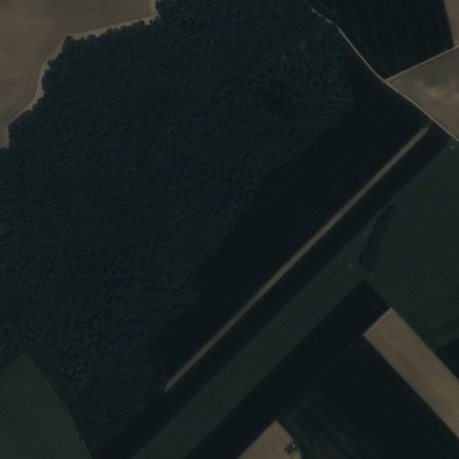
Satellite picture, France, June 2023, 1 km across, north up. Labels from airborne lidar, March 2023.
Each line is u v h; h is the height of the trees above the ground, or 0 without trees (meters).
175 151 10
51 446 0
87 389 21
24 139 28
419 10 0
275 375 0
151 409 0
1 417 0
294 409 0
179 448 0
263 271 0
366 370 0
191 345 0
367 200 0
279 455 0
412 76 0
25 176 25
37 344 15
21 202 22
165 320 12
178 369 0
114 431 15
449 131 0
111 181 27
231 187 23
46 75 12
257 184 17
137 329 16
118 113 22
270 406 0
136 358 22
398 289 0
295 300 0
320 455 0
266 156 22
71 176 25
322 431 0
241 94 27
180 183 26
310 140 17
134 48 20
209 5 25
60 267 21
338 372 0
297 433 0
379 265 0
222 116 26
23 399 0
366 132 0
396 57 0
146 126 29
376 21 0
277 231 0
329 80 23
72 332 21
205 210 26
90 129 22
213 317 0
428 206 0
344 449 0
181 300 9
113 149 25
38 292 23
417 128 0
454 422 0
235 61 20
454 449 0
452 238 0
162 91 27
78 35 0
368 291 0
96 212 23
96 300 25
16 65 0
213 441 0
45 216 24
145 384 22
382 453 0
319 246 0
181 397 0
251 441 0
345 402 0
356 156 0
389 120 0
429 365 0
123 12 0
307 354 0
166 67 22
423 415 0
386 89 0
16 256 14
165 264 27
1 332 25
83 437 15
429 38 0
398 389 0
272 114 25
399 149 0
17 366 0
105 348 22
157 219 26
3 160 19
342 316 0
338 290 0
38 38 0
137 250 18
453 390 0
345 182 0
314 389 0
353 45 0
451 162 0
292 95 24
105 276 13
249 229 0
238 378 0
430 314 0
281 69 20
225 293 0
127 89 25
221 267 0
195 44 25
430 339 0
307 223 0
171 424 0
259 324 0
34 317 30
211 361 0
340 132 0
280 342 0
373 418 0
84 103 22
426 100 0
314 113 20
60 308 25
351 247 0
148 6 0
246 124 21
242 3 23
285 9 22
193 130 28
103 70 24
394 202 0
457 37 0
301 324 0
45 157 25
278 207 0
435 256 0
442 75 0
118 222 24
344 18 0
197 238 19
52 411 0
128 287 30
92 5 0
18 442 0
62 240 18
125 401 21
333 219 0
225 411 0
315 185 0
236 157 22
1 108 0
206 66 25
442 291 0
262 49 26
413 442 0
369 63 0
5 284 18
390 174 0
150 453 0
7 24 0
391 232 0
